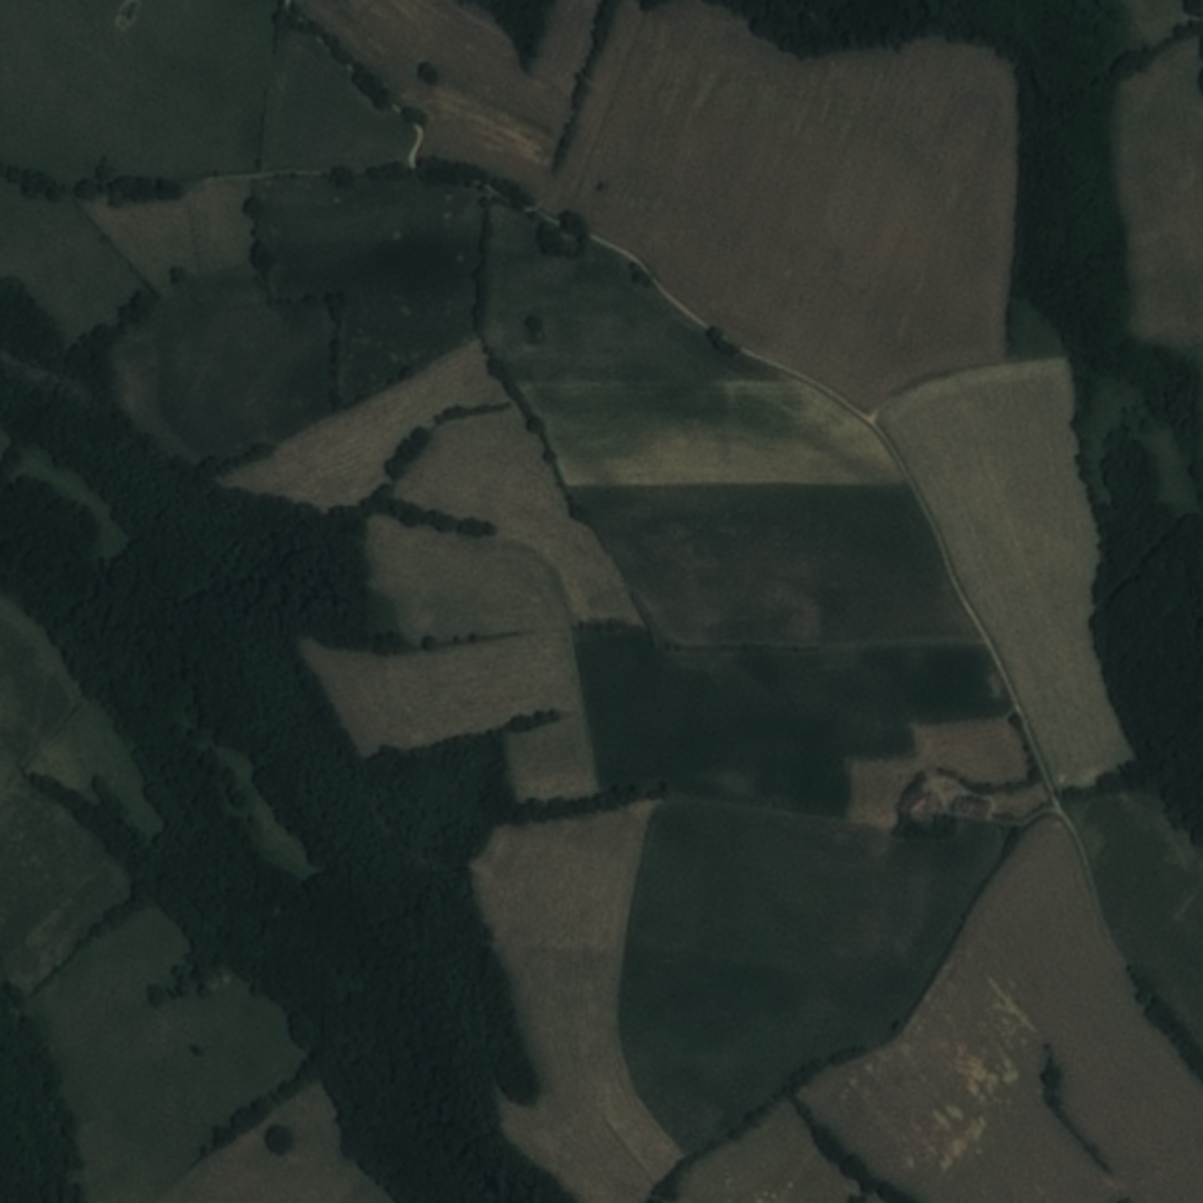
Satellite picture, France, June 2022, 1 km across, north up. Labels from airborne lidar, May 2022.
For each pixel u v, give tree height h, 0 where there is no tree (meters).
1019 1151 0
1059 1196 0
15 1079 13
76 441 12
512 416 0
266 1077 0
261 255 19
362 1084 19
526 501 0
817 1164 0
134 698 11
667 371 0
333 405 7
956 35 16
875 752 0
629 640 0
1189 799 22
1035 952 0
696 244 0
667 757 0
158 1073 0
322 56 0
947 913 0
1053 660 0
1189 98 0
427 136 0
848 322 0
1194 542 20
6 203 0
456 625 0
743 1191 0
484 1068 13
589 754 0
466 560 0
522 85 0
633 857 0
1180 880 0
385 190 0
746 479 0
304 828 18
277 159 0
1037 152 6
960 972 0
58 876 0
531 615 0
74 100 0
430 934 15
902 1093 0
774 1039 0
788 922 0
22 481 14
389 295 0
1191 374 10
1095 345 5
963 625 0
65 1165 20
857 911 0
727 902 0
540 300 0
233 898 15
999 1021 0
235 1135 10
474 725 0
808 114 0
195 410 0
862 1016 0
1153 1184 0
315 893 23
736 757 0
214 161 0
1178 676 23
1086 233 6
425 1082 31
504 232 0
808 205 0
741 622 0
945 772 6
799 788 0
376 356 0
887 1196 16
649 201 0
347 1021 17
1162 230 0
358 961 16
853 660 0
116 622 26
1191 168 0
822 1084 0
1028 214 6
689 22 0
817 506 0
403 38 0
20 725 0
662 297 0
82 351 14
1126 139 0
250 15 0
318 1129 0
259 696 14
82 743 0
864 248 0
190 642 26
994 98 0
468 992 14
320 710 16
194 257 0
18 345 12
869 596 0
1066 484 0
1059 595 0
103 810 11
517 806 13
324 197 0
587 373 0
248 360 0
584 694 0
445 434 0
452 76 0
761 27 21
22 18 0
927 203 0
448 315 0
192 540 17
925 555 0
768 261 0
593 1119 0
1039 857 0
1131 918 0
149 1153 0
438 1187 16
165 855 11
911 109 0
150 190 13
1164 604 21
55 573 17
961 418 0
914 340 0
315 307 8
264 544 21
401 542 0
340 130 0
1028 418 0
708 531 0
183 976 14
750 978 0
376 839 11
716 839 0
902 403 0
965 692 0
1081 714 0
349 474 0
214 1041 0
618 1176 0
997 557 0
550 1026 0
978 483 0
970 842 0
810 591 0
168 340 0
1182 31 13
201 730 9
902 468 0
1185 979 0
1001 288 0
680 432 0
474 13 0
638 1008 0
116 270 0
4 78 0
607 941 0
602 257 0
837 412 0
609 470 0
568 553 0
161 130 0
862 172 0
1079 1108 0
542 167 0
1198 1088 0
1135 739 9
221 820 16
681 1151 0
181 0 0
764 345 0
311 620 26
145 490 11
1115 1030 0
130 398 0
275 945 15
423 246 0
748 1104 0
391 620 0
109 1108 0
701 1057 0
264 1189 0
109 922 12
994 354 0
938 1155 0
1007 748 0
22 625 0
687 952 0
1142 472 25
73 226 0
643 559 0
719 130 0
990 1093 0
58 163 0
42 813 0
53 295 0
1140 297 0
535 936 0
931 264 0
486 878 0
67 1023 0
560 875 0
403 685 0
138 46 0
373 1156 18
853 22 12
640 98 0
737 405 0
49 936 0
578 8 0
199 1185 0
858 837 0
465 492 0
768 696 0
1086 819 0
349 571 19
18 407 10
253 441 0
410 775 11
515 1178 26
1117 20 6
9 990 15
